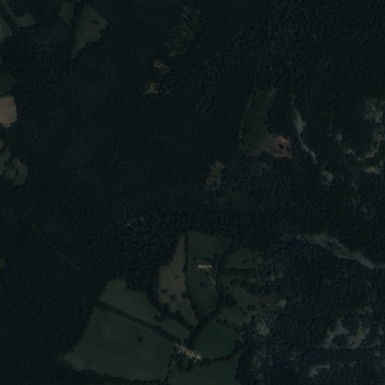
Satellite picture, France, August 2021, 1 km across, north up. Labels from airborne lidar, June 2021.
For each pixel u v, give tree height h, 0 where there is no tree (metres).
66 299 20
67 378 26
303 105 11
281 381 17
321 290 14
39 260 21
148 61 18
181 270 0
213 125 21
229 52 6
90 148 20
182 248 0
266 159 14
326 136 14
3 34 0
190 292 8
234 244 12
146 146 21
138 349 0
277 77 18
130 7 19
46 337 18
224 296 16
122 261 21
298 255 7
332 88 20
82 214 22
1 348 17
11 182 12
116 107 23
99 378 18
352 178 8
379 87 18
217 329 0
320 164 12
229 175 14
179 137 19
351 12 21
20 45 23
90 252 22
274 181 14
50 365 18
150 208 12
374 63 17
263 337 12
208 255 0
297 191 16
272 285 7
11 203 25
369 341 8
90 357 0
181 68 23
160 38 19
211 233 9
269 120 13
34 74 13
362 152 8
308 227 14
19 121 18
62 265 19
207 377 0
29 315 19
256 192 12
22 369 17
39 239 21
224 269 15
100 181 18
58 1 16
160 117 18
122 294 0
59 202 19
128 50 22
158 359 0
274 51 5
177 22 20
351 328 10
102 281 17
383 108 8
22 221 21
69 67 18
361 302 15
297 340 18
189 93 6
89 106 16
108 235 19
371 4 16
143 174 17
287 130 12
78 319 18
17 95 17
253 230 15
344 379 7
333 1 21
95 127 20
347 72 19
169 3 16
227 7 25
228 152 20
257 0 24
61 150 22
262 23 7
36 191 17
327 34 22
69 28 11
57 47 6
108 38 17
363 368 12
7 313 16
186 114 18
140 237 21
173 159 19
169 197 15
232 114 21
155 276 14
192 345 17
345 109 16
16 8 15
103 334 0
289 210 13
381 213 13
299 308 13
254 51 10
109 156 22
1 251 24
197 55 24
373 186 15
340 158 9
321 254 15
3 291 21
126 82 18
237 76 15
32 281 19
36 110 18
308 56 20
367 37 16
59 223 18
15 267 17
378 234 8
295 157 12
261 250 13
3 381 20
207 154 24
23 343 17
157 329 14
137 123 21
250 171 14
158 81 14
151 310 0
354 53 20
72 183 24
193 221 25
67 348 11
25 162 19
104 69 17
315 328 11
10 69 21
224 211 14
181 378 0
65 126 21
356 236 15
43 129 21
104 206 18
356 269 14
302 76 9
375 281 13
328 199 15
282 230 11
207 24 24
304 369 10
